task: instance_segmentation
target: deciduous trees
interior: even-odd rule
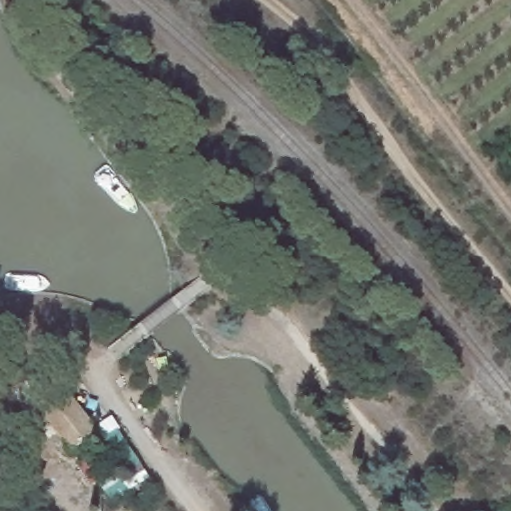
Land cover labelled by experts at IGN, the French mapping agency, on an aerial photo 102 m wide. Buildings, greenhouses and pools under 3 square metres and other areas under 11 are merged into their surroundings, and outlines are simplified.
[[[100,503],[90,501],[88,511],[182,511],[172,499],[172,495],[166,491],[164,481],[154,487],[148,479],[144,479],[138,487],[126,489],[124,493],[102,491]]]
[[[417,463],[409,471],[403,469],[399,461],[393,461],[385,467],[377,467],[377,463],[373,463],[369,467],[369,473],[361,473],[357,469],[359,481],[379,499],[377,511],[511,511],[511,495],[497,501],[489,499],[485,489],[489,479],[495,475],[487,469],[467,469],[465,461],[457,457],[467,447],[467,437],[455,435],[447,425],[435,433],[433,453],[427,457],[427,461]]]
[[[293,303],[317,305],[327,309],[331,315],[325,319],[323,327],[311,331],[311,349],[325,365],[329,375],[329,385],[323,385],[325,401],[313,399],[313,395],[301,395],[299,391],[295,397],[297,407],[317,421],[321,433],[317,437],[311,437],[307,427],[303,427],[303,423],[291,413],[289,401],[283,395],[277,377],[271,375],[265,383],[265,395],[273,411],[279,415],[279,419],[285,423],[291,435],[299,441],[305,453],[313,459],[313,463],[329,479],[333,489],[349,507],[347,511],[367,511],[359,493],[343,477],[339,465],[331,459],[335,449],[341,449],[345,445],[349,431],[353,427],[349,411],[345,407],[345,399],[377,399],[385,403],[389,397],[387,391],[397,389],[403,395],[413,397],[413,405],[407,409],[407,417],[417,425],[417,429],[433,427],[439,417],[447,415],[449,409],[455,407],[455,403],[451,397],[439,395],[433,389],[433,381],[447,381],[457,373],[459,367],[463,367],[463,349],[459,345],[457,335],[443,321],[443,317],[437,317],[433,313],[433,307],[423,295],[421,279],[415,277],[413,269],[383,261],[375,248],[373,236],[363,228],[353,226],[351,216],[335,206],[335,202],[331,200],[331,192],[323,190],[315,182],[313,172],[301,160],[271,154],[269,146],[263,140],[242,134],[240,128],[234,122],[230,122],[224,114],[226,104],[222,100],[206,96],[204,90],[198,86],[198,78],[192,72],[188,72],[180,64],[172,64],[166,54],[160,54],[156,50],[152,38],[154,28],[146,14],[118,16],[102,0],[0,0],[0,24],[4,36],[12,42],[12,46],[18,52],[20,66],[30,76],[34,76],[40,82],[40,86],[60,104],[68,120],[76,126],[78,134],[84,140],[88,140],[92,150],[96,150],[102,156],[104,166],[112,166],[114,176],[118,180],[124,178],[130,182],[128,192],[136,202],[164,200],[166,204],[172,204],[172,212],[168,212],[168,222],[158,226],[166,244],[164,250],[166,257],[182,259],[184,254],[196,255],[202,279],[210,285],[210,291],[198,295],[188,309],[192,315],[200,315],[208,305],[220,305],[222,309],[216,313],[218,325],[230,321],[242,325],[248,311],[254,311],[255,315],[267,315],[273,307],[287,311]],[[74,90],[72,100],[60,98],[58,90],[50,84],[52,74],[58,72],[62,72],[64,84]]]
[[[158,383],[150,385],[146,363],[148,357],[154,353],[154,343],[148,337],[138,341],[126,355],[118,359],[120,371],[130,377],[130,389],[140,391],[140,403],[146,409],[158,405],[162,397],[174,397],[182,387],[186,387],[186,377],[182,375],[176,363],[166,361],[166,365],[162,365],[158,371]]]
[[[383,78],[375,58],[363,46],[355,46],[357,54],[353,62],[339,64],[339,60],[329,48],[309,50],[301,36],[291,38],[285,28],[269,28],[263,22],[263,8],[255,0],[200,0],[200,4],[208,8],[212,16],[212,20],[208,22],[208,32],[214,34],[212,42],[218,54],[228,58],[250,78],[254,78],[259,86],[263,86],[263,90],[277,102],[281,110],[285,110],[291,116],[293,122],[301,126],[307,124],[313,130],[315,142],[323,146],[325,158],[329,162],[345,168],[349,172],[349,178],[361,192],[371,192],[377,198],[377,208],[383,210],[385,218],[395,224],[395,230],[403,238],[415,242],[425,257],[431,261],[431,267],[435,269],[443,291],[449,293],[449,299],[453,303],[471,303],[473,315],[489,315],[497,319],[499,331],[493,335],[493,345],[497,353],[493,361],[497,367],[501,367],[505,359],[511,359],[511,305],[501,295],[499,279],[495,279],[489,267],[485,267],[485,263],[469,250],[463,236],[453,226],[449,226],[443,220],[439,210],[431,210],[425,206],[425,202],[407,184],[401,170],[385,152],[383,138],[377,134],[373,124],[365,120],[357,106],[349,100],[349,80],[355,78],[359,82],[365,78],[367,72],[379,76],[381,80]]]
[[[457,30],[461,24],[465,24],[467,14],[457,12],[453,18],[447,20],[447,24],[439,32],[425,36],[425,46],[429,50],[433,50],[435,42],[443,42],[451,30]]]
[[[507,116],[505,126],[497,128],[495,136],[489,142],[481,142],[481,152],[497,166],[497,178],[511,188],[511,114]]]
[[[66,441],[62,443],[64,455],[74,457],[78,463],[88,463],[86,475],[94,479],[94,487],[104,489],[104,483],[108,479],[132,477],[128,471],[118,467],[118,461],[128,459],[128,447],[122,445],[122,441],[116,441],[114,447],[98,445],[98,441],[90,433],[84,435],[80,445]]]
[[[465,64],[465,56],[471,56],[473,52],[485,46],[485,36],[477,34],[475,42],[455,50],[457,66]]]
[[[150,303],[144,311],[136,315],[122,303],[96,299],[92,303],[80,297],[54,293],[48,287],[44,291],[30,293],[18,289],[14,281],[6,281],[4,277],[0,277],[0,511],[62,511],[56,507],[56,501],[50,493],[50,479],[46,479],[44,475],[46,461],[42,459],[42,449],[46,439],[46,427],[46,413],[54,409],[64,409],[70,401],[72,397],[78,397],[80,379],[86,371],[90,343],[98,343],[104,347],[112,345],[190,285],[188,281],[182,281],[168,289],[164,295],[160,295],[154,303]]]
[[[409,112],[403,108],[399,114],[393,116],[391,126],[391,132],[395,134],[395,140],[399,142],[407,158],[417,166],[417,170],[431,186],[431,190],[447,204],[447,208],[459,220],[469,216],[477,230],[475,236],[477,244],[491,254],[511,283],[511,222],[497,208],[493,198],[483,190],[469,162],[455,150],[453,142],[441,130],[433,130],[425,136],[417,118],[409,116]]]
[[[429,14],[431,8],[441,4],[441,0],[425,0],[419,8],[411,10],[403,20],[391,24],[391,34],[401,36],[405,34],[405,28],[415,26],[421,16]]]
[[[184,441],[180,437],[180,427],[172,429],[172,437],[180,439],[182,457],[192,457],[202,467],[212,469],[208,459],[200,453],[200,449],[194,443]]]

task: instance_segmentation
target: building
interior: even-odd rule
[[[90,433],[92,427],[88,415],[70,401],[64,409],[54,409],[46,413],[46,427],[54,427],[56,437],[64,437],[66,441],[80,445],[84,435]]]

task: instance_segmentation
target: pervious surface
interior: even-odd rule
[[[413,269],[415,277],[421,279],[423,295],[433,307],[433,313],[437,317],[443,317],[443,321],[457,335],[459,345],[463,349],[463,367],[459,367],[457,373],[447,381],[433,381],[433,389],[439,395],[451,397],[455,403],[459,403],[465,409],[467,419],[475,425],[477,431],[481,431],[487,425],[503,425],[511,431],[511,359],[505,359],[501,367],[497,367],[493,361],[497,353],[493,345],[493,335],[499,331],[497,319],[489,315],[473,315],[471,303],[453,303],[449,299],[449,293],[443,291],[435,269],[431,267],[431,261],[425,257],[415,242],[403,238],[395,230],[395,224],[385,218],[383,210],[377,208],[377,198],[371,192],[361,192],[349,178],[349,172],[345,168],[329,162],[325,158],[323,146],[315,142],[313,130],[307,124],[301,126],[293,122],[291,116],[285,110],[281,110],[277,102],[263,90],[263,86],[259,86],[254,78],[250,78],[228,58],[218,54],[212,42],[204,40],[198,32],[192,30],[188,22],[184,22],[174,12],[172,4],[178,0],[102,0],[118,16],[146,14],[154,28],[152,38],[156,50],[160,54],[166,54],[172,64],[180,64],[188,72],[192,72],[198,78],[198,86],[204,90],[206,96],[222,100],[226,104],[224,114],[230,122],[234,122],[240,128],[242,134],[263,140],[269,146],[271,154],[301,160],[313,172],[315,182],[323,190],[331,192],[331,200],[335,202],[335,206],[351,216],[353,226],[363,228],[373,236],[375,248],[383,261]]]
[[[469,250],[485,263],[485,267],[489,267],[495,279],[499,279],[501,295],[511,305],[511,283],[491,254],[477,244],[475,236],[463,236]]]
[[[255,0],[263,8],[273,12],[287,28],[293,26],[295,20],[299,20],[297,14],[279,0]]]
[[[188,309],[198,295],[210,291],[210,285],[202,279],[190,285],[112,345],[104,347],[98,343],[90,343],[86,371],[80,379],[78,397],[72,397],[70,401],[88,415],[92,427],[90,433],[98,441],[98,445],[114,447],[116,441],[122,441],[122,445],[128,447],[128,459],[118,461],[118,467],[128,471],[132,477],[108,479],[104,483],[104,489],[94,487],[94,479],[86,475],[88,463],[78,463],[74,457],[64,455],[62,443],[66,441],[64,437],[56,437],[54,427],[46,427],[46,439],[42,449],[42,459],[46,461],[44,475],[46,479],[50,479],[50,493],[56,501],[56,507],[62,511],[88,511],[90,501],[100,503],[102,491],[124,493],[126,489],[138,487],[144,479],[148,479],[154,487],[164,481],[166,491],[172,495],[172,499],[182,511],[230,511],[230,499],[218,483],[218,473],[216,469],[212,469],[202,467],[192,457],[182,457],[180,439],[172,437],[172,429],[180,427],[180,437],[184,441],[194,443],[200,449],[200,453],[208,459],[208,451],[190,433],[190,427],[182,423],[180,403],[186,393],[186,387],[182,387],[174,397],[162,397],[158,405],[146,409],[140,403],[140,391],[130,389],[130,377],[120,371],[118,359],[126,355],[138,341],[148,337],[154,343],[154,353],[148,357],[146,363],[150,385],[158,383],[158,371],[162,365],[166,365],[166,361],[176,363],[182,375],[186,377],[190,369],[184,357],[176,353],[176,337],[170,331],[158,335],[154,331],[156,325],[166,321],[170,315],[182,315]]]
[[[493,198],[497,208],[511,222],[511,188],[497,178],[497,166],[481,152],[477,152],[469,144],[461,130],[461,118],[457,110],[463,104],[463,96],[457,100],[449,100],[447,104],[441,104],[431,94],[427,84],[421,80],[415,66],[407,60],[415,50],[401,36],[391,34],[391,24],[383,10],[369,10],[369,6],[363,0],[327,0],[335,6],[337,14],[345,22],[345,36],[355,46],[363,46],[375,58],[383,78],[403,108],[409,112],[409,116],[417,118],[425,136],[433,130],[441,130],[453,142],[455,150],[469,162],[483,190]]]
[[[439,210],[443,220],[449,226],[453,226],[459,220],[447,208],[447,204],[431,190],[431,186],[417,170],[417,166],[407,158],[399,142],[395,140],[395,134],[391,132],[391,126],[383,122],[383,118],[375,112],[367,96],[363,94],[359,82],[355,78],[349,80],[349,100],[357,106],[365,120],[373,124],[377,134],[383,138],[385,152],[401,170],[407,184],[425,202],[425,206],[431,210]]]

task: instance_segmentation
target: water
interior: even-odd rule
[[[265,367],[248,359],[216,359],[208,355],[194,339],[190,323],[182,315],[170,315],[166,321],[156,325],[154,331],[158,335],[170,331],[176,337],[176,353],[184,357],[190,369],[186,377],[186,387],[186,393],[180,403],[182,423],[190,427],[190,433],[208,451],[208,459],[212,469],[216,469],[218,473],[224,471],[228,473],[228,477],[242,485],[246,485],[248,481],[261,483],[271,495],[277,497],[281,511],[347,511],[349,507],[333,489],[329,479],[313,463],[313,459],[305,453],[299,441],[291,435],[285,423],[279,419],[279,415],[273,411],[265,395],[265,383],[271,375]]]
[[[92,303],[96,299],[122,303],[136,315],[144,311],[150,303],[154,303],[160,295],[164,295],[168,289],[166,257],[164,250],[148,214],[142,208],[136,210],[136,202],[128,192],[130,182],[124,178],[118,180],[114,176],[112,166],[104,166],[102,156],[96,150],[92,150],[88,140],[84,140],[78,134],[76,126],[68,120],[60,104],[40,86],[40,82],[34,76],[30,76],[20,66],[18,52],[12,46],[12,42],[4,36],[0,24],[0,277],[4,277],[6,281],[14,281],[18,289],[30,293],[44,291],[48,287],[54,293],[80,297]]]

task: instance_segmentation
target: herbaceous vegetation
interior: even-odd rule
[[[299,20],[295,20],[293,26],[287,28],[273,12],[263,8],[263,22],[269,28],[285,28],[291,38],[301,36],[309,50],[329,48],[339,60],[339,64],[353,62],[357,54],[355,46],[345,36],[345,22],[337,14],[335,6],[327,0],[279,0],[297,14]]]
[[[204,40],[212,42],[214,34],[208,32],[208,22],[212,20],[212,16],[208,8],[200,4],[200,0],[178,0],[172,4],[174,12],[184,22],[188,22],[192,30],[198,32]]]
[[[62,72],[58,72],[52,74],[50,84],[58,90],[60,98],[72,100],[74,90],[64,84]]]
[[[393,116],[399,114],[403,108],[383,78],[381,80],[379,76],[367,72],[365,78],[359,82],[363,94],[367,96],[375,112],[383,118],[383,122],[391,126]]]
[[[369,6],[369,10],[383,10],[391,24],[403,20],[411,10],[419,8],[425,0],[363,0]]]
[[[230,511],[281,511],[277,497],[271,495],[261,483],[248,481],[246,485],[242,485],[228,477],[228,473],[224,471],[218,473],[218,483],[230,499]]]
[[[461,24],[457,30],[451,30],[443,42],[435,42],[433,50],[429,50],[425,46],[425,36],[439,32],[447,24],[447,20],[453,18],[457,12],[467,14],[465,24]],[[485,46],[473,52],[471,56],[465,56],[465,64],[457,66],[455,50],[475,42],[477,34],[485,36]],[[415,66],[421,80],[427,84],[431,94],[441,104],[447,104],[449,100],[457,100],[463,96],[463,104],[457,110],[461,118],[461,130],[469,144],[477,152],[481,152],[481,142],[489,142],[495,136],[497,128],[505,126],[507,116],[511,114],[511,0],[441,0],[441,4],[431,8],[429,14],[421,16],[415,26],[405,28],[405,34],[401,36],[415,50],[407,60]]]
[[[455,403],[455,407],[449,409],[447,415],[439,417],[433,427],[417,429],[417,425],[407,417],[407,409],[413,405],[413,397],[403,395],[397,389],[387,391],[389,397],[385,403],[377,399],[345,399],[345,407],[349,411],[353,427],[349,431],[345,445],[341,449],[335,449],[331,459],[339,465],[343,477],[359,493],[367,511],[377,511],[379,499],[359,481],[357,469],[361,473],[369,473],[369,467],[373,463],[377,463],[377,467],[385,467],[393,461],[399,461],[403,469],[409,471],[417,463],[427,461],[427,457],[433,453],[435,433],[447,425],[455,435],[467,437],[467,447],[457,457],[465,461],[467,469],[487,469],[495,475],[489,479],[485,489],[489,499],[497,501],[511,495],[511,431],[503,425],[487,425],[481,431],[477,431],[475,425],[467,419],[465,409],[459,403]]]
[[[158,226],[168,222],[168,212],[172,212],[172,204],[166,204],[164,200],[136,202],[136,210],[142,208],[148,214],[164,250],[166,244]]]
[[[477,230],[469,216],[459,220],[453,226],[463,236],[475,236]]]
[[[202,279],[196,255],[184,254],[182,259],[166,257],[168,289],[182,281],[188,281],[190,285]]]
[[[317,437],[321,433],[317,421],[297,407],[295,397],[299,391],[301,395],[313,395],[313,399],[325,401],[323,385],[329,385],[329,375],[325,365],[311,349],[311,331],[323,327],[325,319],[331,315],[327,309],[317,305],[293,303],[287,311],[273,307],[267,315],[255,315],[254,311],[248,311],[242,325],[230,321],[218,325],[216,313],[222,309],[220,305],[208,305],[200,315],[192,315],[188,309],[182,315],[190,323],[194,339],[208,355],[216,359],[248,359],[265,367],[271,375],[277,377],[283,395],[289,401],[291,413],[303,423],[303,427],[307,427],[311,437]]]

